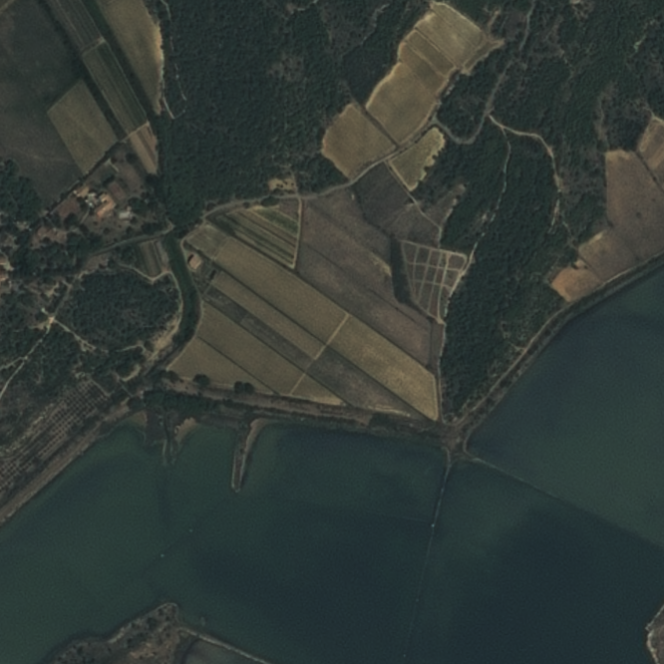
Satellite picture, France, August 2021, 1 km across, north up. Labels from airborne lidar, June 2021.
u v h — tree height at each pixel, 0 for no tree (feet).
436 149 0
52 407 0
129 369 52
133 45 0
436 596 0
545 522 0
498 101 21
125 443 0
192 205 36
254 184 21
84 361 29
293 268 0
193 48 24
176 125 21
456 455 0
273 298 0
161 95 0
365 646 0
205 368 0
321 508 0
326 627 0
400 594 0
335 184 27
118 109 0
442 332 0
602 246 0
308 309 0
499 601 0
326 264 0
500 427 0
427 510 0
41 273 43
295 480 0
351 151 0
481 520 0
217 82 22
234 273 0
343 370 0
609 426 0
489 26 0
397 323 0
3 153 0
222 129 25
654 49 20
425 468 0
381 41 38
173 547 0
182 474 0
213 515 0
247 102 31
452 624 0
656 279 0
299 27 38
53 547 0
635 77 25
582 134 31
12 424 0
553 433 0
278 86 32
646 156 0
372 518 0
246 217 0
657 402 0
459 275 0
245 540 0
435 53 0
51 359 25
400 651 0
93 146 0
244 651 0
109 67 0
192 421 0
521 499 0
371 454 0
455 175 26
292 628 0
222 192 33
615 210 0
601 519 0
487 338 35
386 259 0
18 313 41
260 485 0
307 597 0
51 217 50
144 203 41
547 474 0
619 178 0
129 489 0
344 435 0
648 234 0
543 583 0
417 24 0
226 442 0
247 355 0
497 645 0
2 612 0
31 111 0
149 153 0
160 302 27
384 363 0
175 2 28
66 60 0
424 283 0
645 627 0
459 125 23
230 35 29
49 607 0
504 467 0
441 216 0
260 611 0
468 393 26
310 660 0
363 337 0
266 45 41
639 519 0
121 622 0
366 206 0
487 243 29
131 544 0
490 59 22
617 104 26
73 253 52
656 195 0
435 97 0
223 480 0
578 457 0
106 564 0
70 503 0
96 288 26
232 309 0
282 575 0
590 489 0
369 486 0
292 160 27
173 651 0
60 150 0
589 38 22
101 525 0
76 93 0
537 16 26
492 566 0
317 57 34
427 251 0
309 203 0
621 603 0
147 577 0
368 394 0
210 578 0
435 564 0
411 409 0
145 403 33
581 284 0
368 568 0
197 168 31
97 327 33
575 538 0
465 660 0
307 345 0
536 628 0
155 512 0
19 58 0
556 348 0
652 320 0
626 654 0
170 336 0
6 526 0
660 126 0
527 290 19
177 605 0
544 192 26
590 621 0
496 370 31
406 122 0
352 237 0
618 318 0
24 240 31
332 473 0
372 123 0
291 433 0
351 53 24
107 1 0
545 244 22
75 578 0
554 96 27
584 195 26
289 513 0
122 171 0
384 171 0
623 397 0
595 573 0
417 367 0
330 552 0
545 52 23
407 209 0
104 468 0
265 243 0
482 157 34
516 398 0
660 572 0
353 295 0
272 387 0
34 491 0
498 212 26
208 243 0
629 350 0
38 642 0
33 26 0
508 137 21
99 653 0
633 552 0
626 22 35
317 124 31
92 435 0
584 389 0
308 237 0
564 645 0
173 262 20
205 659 0
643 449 0
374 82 20
